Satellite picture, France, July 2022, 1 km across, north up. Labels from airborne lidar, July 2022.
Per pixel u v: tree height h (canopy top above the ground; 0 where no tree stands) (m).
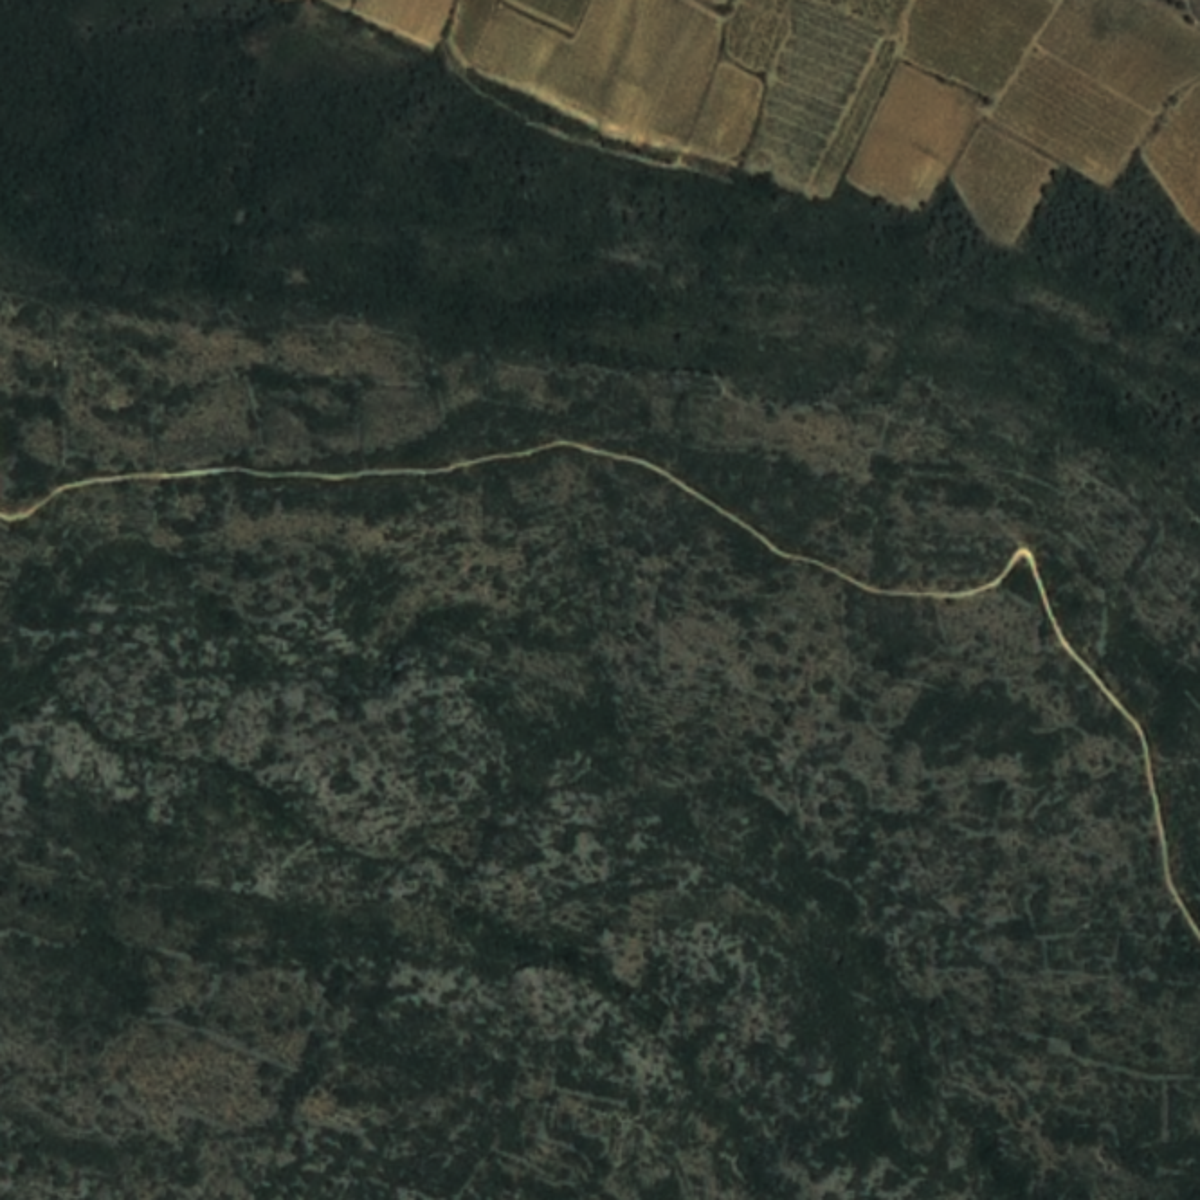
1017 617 0
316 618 0
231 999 0
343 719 0
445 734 0
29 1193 0
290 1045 0
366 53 0
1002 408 0
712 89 0
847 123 0
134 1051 0
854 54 0
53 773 0
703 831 0
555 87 0
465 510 0
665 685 0
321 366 0
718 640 0
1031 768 0
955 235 9
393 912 0
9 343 0
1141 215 8
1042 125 0
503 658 0
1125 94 0
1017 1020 0
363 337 0
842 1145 0
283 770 0
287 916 0
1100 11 0
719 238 7
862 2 0
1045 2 0
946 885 0
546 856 0
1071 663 0
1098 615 0
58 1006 0
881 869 0
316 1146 0
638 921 0
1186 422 14
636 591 0
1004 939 0
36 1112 0
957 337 0
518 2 0
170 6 0
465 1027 0
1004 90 0
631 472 0
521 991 0
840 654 0
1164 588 0
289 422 0
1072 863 0
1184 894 0
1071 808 0
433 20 0
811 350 0
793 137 0
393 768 0
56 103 5
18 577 0
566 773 0
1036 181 0
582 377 0
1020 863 0
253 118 6
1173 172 0
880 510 0
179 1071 0
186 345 0
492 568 0
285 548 0
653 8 0
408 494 0
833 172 0
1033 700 0
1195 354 7
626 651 0
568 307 6
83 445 0
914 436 0
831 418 0
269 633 0
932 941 0
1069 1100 0
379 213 6
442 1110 0
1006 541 0
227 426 0
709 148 0
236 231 7
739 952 0
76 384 0
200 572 0
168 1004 0
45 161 6
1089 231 12
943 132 0
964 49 0
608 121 0
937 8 0
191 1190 0
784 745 0
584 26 0
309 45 0
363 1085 0
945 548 0
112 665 0
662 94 0
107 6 0
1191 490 0
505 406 0
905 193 0
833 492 0
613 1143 0
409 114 11
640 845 0
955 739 0
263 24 11
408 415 0
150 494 0
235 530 0
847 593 0
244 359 0
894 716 0
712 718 0
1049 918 0
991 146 0
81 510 0
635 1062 0
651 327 0
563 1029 0
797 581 0
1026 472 0
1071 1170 0
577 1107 0
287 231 6
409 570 0
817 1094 0
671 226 8
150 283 6
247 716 0
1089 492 0
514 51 0
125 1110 0
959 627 0
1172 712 0
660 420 0
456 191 6
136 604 0
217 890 0
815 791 0
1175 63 0
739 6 0
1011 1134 0
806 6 0
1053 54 0
